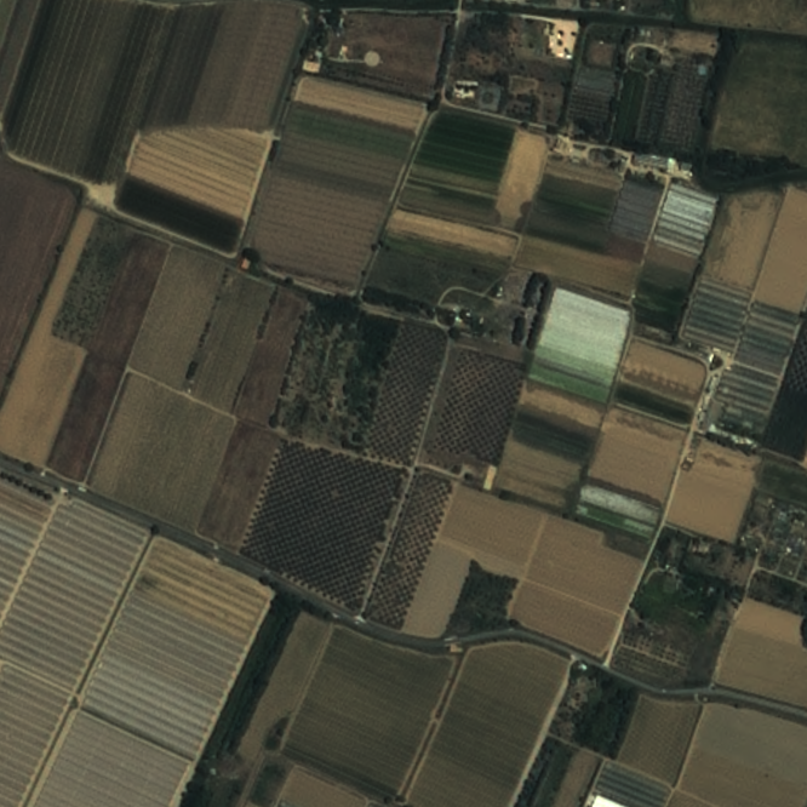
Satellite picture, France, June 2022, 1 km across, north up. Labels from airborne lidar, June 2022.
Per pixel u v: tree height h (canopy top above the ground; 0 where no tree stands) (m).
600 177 0
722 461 0
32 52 0
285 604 11
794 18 0
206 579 0
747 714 0
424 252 0
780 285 0
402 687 0
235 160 0
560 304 0
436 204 0
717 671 0
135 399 0
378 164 0
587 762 0
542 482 0
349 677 0
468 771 0
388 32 0
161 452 0
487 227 0
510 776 0
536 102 9
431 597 0
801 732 0
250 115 0
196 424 0
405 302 9
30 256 0
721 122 0
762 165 8
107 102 0
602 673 7
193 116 0
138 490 0
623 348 0
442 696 0
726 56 13
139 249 0
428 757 0
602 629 0
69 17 0
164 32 0
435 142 0
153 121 0
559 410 0
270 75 0
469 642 0
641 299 0
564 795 0
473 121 0
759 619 0
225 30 0
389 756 0
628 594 0
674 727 0
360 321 7
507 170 0
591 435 0
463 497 0
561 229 0
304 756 0
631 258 0
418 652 0
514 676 0
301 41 0
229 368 0
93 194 0
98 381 0
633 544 0
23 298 0
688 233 0
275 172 0
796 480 0
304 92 0
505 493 7
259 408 0
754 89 0
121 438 0
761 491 0
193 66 0
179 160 0
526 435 0
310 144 0
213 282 0
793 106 0
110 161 0
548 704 0
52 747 0
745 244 0
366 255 0
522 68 6
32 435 0
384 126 0
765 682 0
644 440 0
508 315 0
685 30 0
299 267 0
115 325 0
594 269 0
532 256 0
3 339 0
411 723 0
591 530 0
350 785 0
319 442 0
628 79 6
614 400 0
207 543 0
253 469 0
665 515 0
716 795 0
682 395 0
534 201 0
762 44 0
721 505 0
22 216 0
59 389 0
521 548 0
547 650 0
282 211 0
